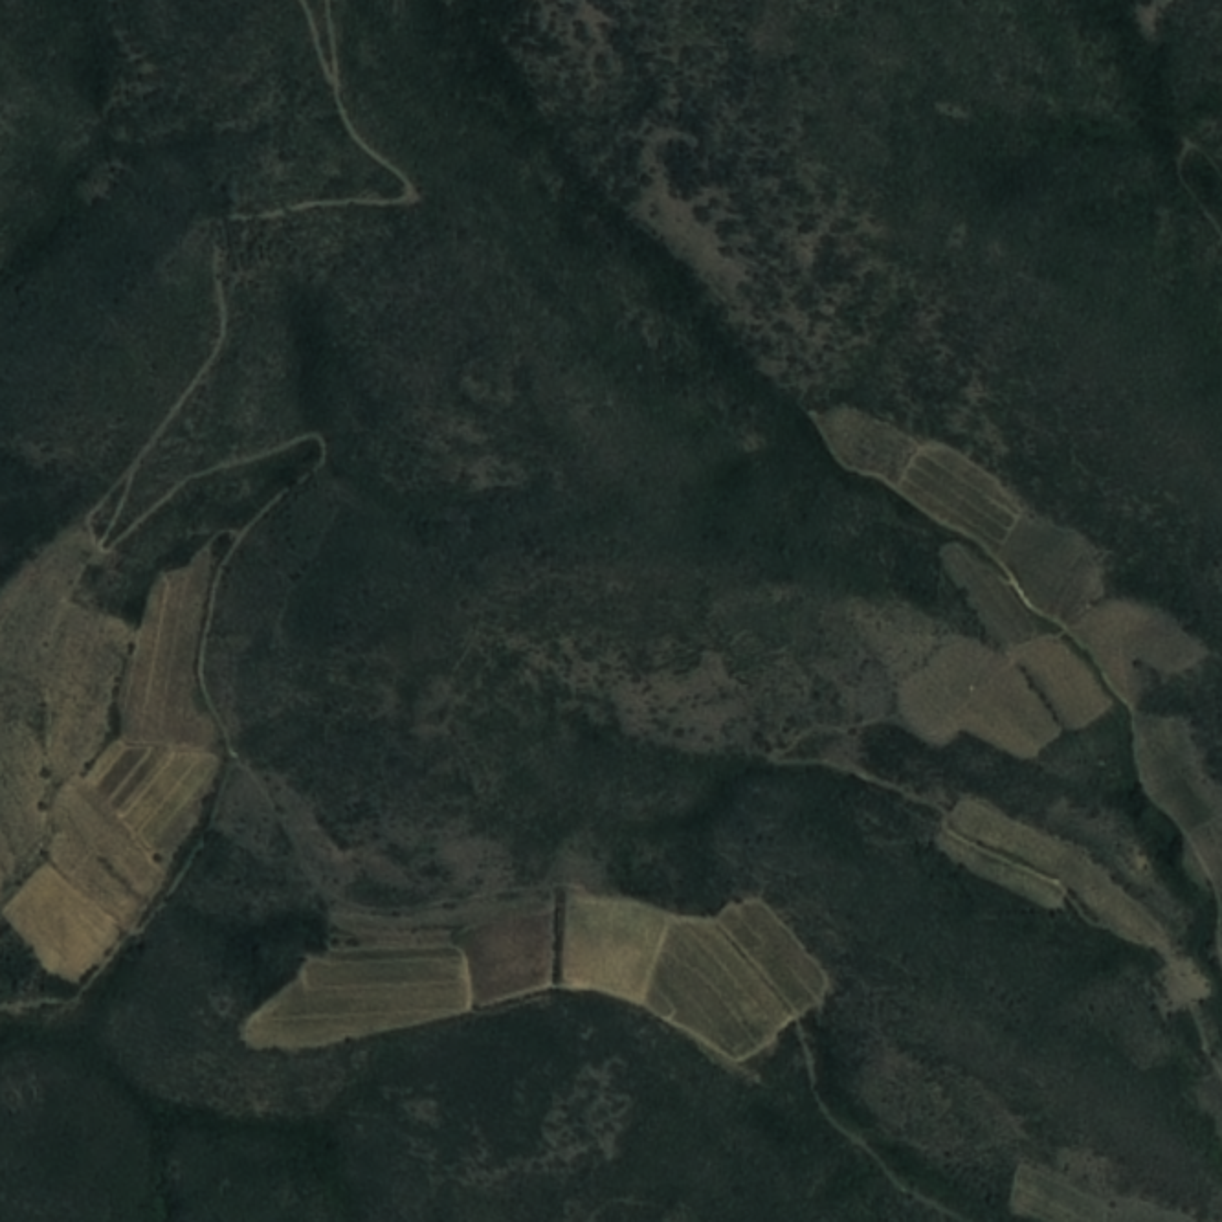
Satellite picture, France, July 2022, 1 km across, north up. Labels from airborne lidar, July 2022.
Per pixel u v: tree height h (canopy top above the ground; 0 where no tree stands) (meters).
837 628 0
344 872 0
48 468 6
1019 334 0
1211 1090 0
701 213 7
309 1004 0
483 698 0
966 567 0
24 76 6
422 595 0
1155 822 6
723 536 6
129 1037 0
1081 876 0
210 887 0
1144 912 0
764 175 7
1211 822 0
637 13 6
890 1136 0
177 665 0
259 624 0
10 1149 0
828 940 0
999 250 0
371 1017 0
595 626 0
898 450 0
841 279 6
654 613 0
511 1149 0
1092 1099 0
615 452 0
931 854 10
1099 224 6
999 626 0
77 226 7
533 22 7
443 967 0
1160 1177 0
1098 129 11
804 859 0
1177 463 0
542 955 0
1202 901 7
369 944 0
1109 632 0
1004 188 7
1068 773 0
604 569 0
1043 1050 0
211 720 0
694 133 8
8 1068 0
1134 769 6
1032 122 6
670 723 0
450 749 0
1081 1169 0
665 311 6
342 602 0
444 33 7
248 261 9
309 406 7
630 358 6
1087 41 6
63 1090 0
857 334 6
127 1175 0
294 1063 0
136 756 0
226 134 6
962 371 0
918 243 0
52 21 6
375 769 0
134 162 6
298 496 6
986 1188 7
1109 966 6
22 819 0
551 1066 0
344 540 0
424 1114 0
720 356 6
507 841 0
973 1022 0
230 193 10
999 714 0
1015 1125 0
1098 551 0
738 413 8
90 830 0
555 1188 0
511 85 9
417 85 6
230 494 7
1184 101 6
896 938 0
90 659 0
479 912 0
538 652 0
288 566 0
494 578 0
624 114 8
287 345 8
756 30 0
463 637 0
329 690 0
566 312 6
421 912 0
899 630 0
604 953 0
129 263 5
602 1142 0
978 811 0
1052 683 0
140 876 0
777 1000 0
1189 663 0
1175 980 0
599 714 0
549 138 6
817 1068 5
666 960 0
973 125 6
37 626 0
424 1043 0
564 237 6
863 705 0
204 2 5
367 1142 0
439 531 8
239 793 0
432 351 0
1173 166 6
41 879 0
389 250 6
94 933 0
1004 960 0
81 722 0
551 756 0
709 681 0
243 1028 0
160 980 0
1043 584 0
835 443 0
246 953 9
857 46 0
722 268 0
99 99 8
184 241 0
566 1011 0
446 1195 0
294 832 0
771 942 0
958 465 0
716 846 0
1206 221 7
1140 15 0
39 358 0
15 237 7
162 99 8
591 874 0
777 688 0
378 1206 0
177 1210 7
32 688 0
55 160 7
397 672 0
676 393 7
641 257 7
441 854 0
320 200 5
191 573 0
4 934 10
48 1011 6
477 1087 0
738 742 0
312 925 8
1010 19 8
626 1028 0
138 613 8
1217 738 0
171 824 0
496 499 6
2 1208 0
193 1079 0
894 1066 0
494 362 6
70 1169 0
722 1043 0
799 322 0
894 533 7
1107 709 0
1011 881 0
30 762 0
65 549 0
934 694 0
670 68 6
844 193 0
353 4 6
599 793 0
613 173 7
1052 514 0
